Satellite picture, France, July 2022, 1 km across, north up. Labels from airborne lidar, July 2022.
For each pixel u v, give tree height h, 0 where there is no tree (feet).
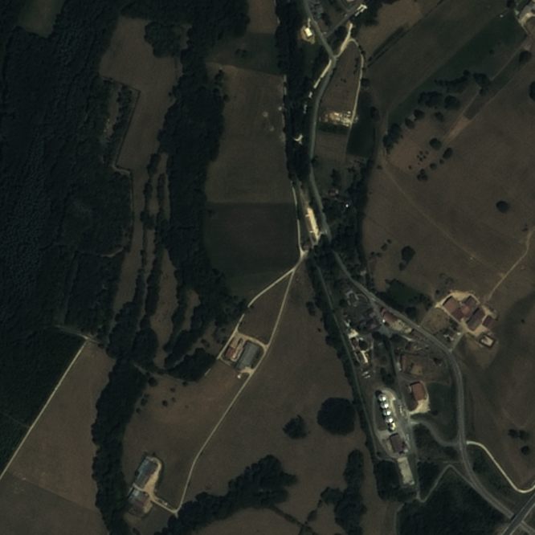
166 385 0
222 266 0
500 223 0
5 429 30
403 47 0
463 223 0
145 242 19
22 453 0
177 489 0
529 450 47
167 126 49
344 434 28
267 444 0
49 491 0
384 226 0
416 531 20
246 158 0
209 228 0
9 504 0
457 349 0
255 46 0
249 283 0
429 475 31
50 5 0
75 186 53
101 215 53
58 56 57
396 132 62
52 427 0
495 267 0
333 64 0
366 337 0
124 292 0
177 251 81
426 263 0
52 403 0
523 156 0
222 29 71
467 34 0
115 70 0
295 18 69
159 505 0
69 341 42
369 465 0
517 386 0
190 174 91
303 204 0
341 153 0
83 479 0
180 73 0
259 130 0
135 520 0
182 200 76
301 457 0
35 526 0
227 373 0
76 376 0
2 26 58
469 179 0
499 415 0
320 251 51
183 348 77
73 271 29
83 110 42
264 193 0
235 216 0
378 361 0
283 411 0
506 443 0
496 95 0
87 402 0
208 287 71
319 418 0
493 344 0
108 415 86
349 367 28
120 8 61
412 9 0
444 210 0
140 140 0
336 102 0
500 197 0
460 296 0
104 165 65
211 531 0
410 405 0
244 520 0
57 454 0
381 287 0
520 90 0
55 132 56
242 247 0
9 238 85
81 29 71
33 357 42
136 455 0
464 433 0
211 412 0
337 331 50
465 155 0
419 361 0
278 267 0
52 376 35
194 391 0
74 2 58
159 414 0
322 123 0
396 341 37
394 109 0
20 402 31
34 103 69
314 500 0
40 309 41
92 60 45
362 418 33
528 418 0
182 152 79
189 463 0
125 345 59
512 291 0
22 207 82
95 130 58
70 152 68
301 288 0
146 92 0
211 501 84
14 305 70
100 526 0
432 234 0
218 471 0
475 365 0
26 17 0
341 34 41
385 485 38
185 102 78
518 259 0
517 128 0
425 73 0
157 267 47
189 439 0
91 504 0
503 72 0
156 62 0
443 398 0
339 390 0
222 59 0
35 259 80
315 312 46
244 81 0
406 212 0
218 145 63
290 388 0
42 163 51
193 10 59
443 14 0
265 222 0
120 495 72
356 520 73
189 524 75
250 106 0
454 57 0
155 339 58
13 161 67
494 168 0
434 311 0
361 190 65
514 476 0
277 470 52
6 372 33
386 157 0
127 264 0
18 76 67
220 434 0
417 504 21
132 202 53
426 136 0
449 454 17
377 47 0
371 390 0
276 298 0
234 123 0
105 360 0
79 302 53
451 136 0
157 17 51
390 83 0
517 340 0
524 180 0
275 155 0
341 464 0
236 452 0
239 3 94
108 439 71
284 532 0
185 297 31
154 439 0
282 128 0
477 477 0
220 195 0
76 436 0
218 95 50
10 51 57
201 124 89
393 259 0
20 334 44
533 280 0
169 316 0
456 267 0
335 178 47
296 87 84
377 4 60
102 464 77
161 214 29
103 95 69
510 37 0
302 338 0
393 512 0
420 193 0
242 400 0
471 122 0
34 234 80
